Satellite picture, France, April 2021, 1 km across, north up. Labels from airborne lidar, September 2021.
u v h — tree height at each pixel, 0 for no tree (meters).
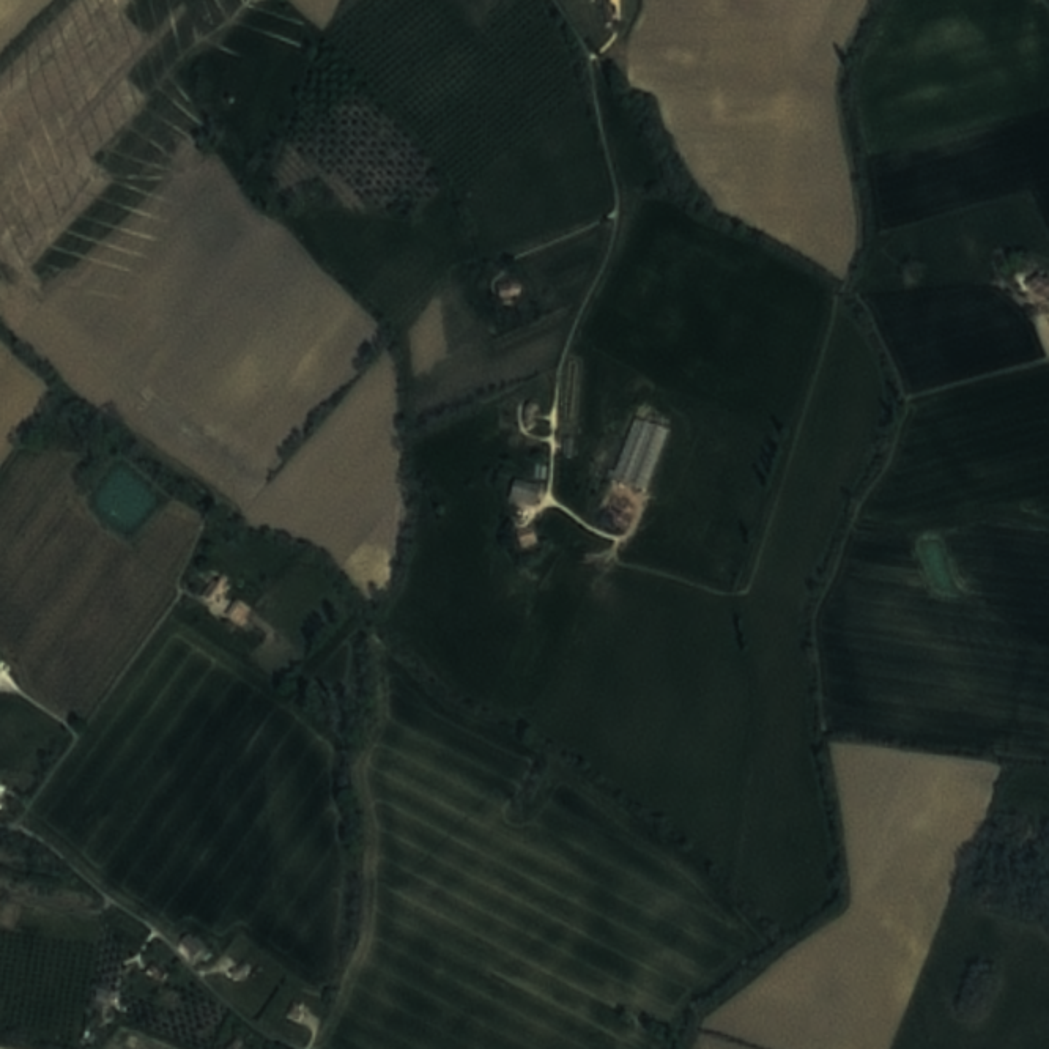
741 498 0
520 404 0
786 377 0
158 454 0
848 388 0
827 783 13
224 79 0
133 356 0
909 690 0
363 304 7
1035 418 0
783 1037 0
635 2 0
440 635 0
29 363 18
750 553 0
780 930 11
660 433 0
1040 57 0
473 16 0
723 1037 6
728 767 0
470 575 0
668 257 0
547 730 0
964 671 0
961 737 0
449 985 0
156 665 0
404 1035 0
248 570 0
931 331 0
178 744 0
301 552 15
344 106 7
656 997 0
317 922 0
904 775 0
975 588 0
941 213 0
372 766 0
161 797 0
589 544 0
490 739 0
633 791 0
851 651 0
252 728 0
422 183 6
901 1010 0
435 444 0
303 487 0
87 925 0
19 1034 14
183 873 0
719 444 0
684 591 0
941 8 0
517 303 9
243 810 0
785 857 0
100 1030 10
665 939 0
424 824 0
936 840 0
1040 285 0
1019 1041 0
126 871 0
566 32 13
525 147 0
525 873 0
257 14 0
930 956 0
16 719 0
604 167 0
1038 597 0
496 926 0
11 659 0
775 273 0
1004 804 0
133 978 9
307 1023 0
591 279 0
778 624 0
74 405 22
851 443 0
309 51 15
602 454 0
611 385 0
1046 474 0
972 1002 12
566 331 0
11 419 0
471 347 0
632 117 8
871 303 0
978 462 0
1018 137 0
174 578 0
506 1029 0
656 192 14
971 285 0
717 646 0
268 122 0
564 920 0
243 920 0
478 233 11
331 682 0
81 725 16
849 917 0
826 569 6
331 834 0
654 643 0
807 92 0
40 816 0
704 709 0
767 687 0
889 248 0
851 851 0
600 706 0
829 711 0
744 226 14
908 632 0
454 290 0
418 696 0
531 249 0
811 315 0
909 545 0
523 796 13
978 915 0
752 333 0
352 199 0
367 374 16
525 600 0
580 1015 0
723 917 0
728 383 0
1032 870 9
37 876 9
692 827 0
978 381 0
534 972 0
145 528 0
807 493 0
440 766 0
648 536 0
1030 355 0
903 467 0
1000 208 0
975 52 0
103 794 0
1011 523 0
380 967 0
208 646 0
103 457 15
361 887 20
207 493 0
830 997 0
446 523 0
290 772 0
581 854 0
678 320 0
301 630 0
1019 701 0
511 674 0
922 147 0
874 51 0
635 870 0
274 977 0
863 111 0
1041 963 0
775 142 0
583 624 0
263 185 0
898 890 0
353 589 15
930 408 0
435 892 0
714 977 0
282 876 0
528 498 0
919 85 0
